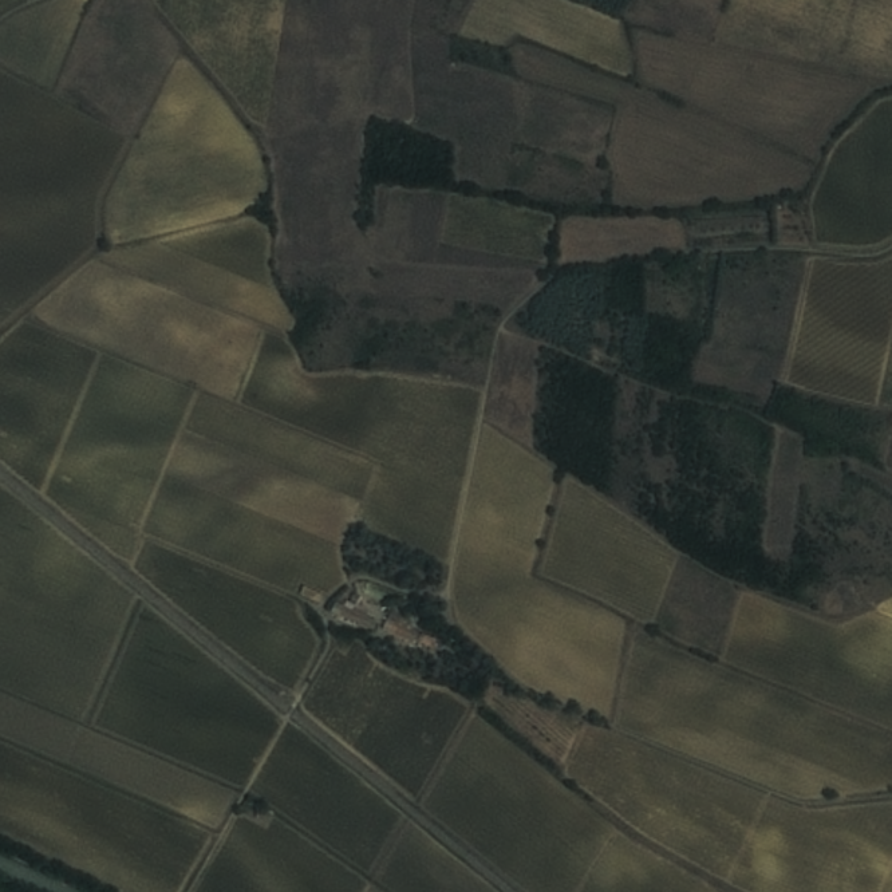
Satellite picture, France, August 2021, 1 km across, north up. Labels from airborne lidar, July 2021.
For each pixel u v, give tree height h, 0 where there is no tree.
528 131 0
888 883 0
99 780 0
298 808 0
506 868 0
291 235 0
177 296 0
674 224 0
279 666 0
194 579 0
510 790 0
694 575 0
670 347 9
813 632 0
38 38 0
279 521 0
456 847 0
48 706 0
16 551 0
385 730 0
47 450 0
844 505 6
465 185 12
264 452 0
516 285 0
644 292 8
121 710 0
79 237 0
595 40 0
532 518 0
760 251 6
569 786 12
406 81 0
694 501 7
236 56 0
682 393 6
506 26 0
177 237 0
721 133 0
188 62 0
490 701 0
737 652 0
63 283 0
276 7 0
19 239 0
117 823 0
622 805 0
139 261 0
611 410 6
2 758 0
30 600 0
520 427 0
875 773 0
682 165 0
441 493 0
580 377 6
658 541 0
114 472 0
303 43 0
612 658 0
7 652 0
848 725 0
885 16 0
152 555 0
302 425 0
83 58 0
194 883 0
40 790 0
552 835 0
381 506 0
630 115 0
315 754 0
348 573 8
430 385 0
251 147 0
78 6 0
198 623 0
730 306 0
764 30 0
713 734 0
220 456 0
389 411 0
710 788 0
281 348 0
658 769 0
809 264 0
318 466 0
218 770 0
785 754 0
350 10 0
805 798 0
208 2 0
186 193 0
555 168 0
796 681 0
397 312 0
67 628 0
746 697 0
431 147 5
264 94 0
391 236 0
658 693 0
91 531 0
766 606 0
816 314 0
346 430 0
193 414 0
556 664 0
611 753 0
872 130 0
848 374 0
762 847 0
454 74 0
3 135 0
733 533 6
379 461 0
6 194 0
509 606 0
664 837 0
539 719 0
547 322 9
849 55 0
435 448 0
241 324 0
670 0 0
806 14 0
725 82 0
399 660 23
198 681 0
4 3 0
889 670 0
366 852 0
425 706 0
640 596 0
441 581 8
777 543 0
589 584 0
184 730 0
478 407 0
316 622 8
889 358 0
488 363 0
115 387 0
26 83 0
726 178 0
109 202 0
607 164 10
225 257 0
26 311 0
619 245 0
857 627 0
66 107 0
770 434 10
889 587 0
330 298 0
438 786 0
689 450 6
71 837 0
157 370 0
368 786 0
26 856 13
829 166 0
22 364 0
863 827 0
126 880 0
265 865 0
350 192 0
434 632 7
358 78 0
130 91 0
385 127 7
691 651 8
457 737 0
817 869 0
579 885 0
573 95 0
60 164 0
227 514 0
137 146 0
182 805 0
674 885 0
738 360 0
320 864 0
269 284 0
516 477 0
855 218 0
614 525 0
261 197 8
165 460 0
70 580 0
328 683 0
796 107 0
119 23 0
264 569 0
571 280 8
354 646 0
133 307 0
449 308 0
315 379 0
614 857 0
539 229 0
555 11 0
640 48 0
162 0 0
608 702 0
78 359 0
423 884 0
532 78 0
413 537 0
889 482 0
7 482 0
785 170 0
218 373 0
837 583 0
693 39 0
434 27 0
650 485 6
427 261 0
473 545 0
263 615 0
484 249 0
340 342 0
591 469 6
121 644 0
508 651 0
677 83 0
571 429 8
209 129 0
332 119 0
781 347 0
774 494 0
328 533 0
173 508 0
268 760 0
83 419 0
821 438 11
